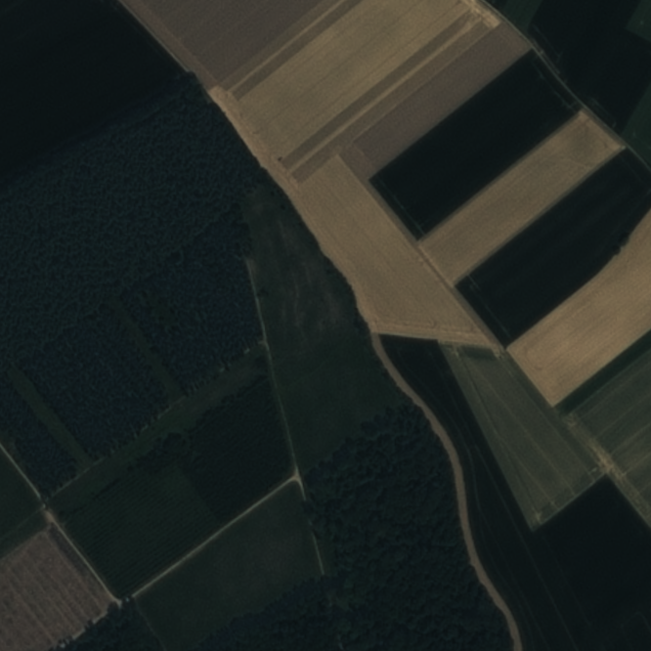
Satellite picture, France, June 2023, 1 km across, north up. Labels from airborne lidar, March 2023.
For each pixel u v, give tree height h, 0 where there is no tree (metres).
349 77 0
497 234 0
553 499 0
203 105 25
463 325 0
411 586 24
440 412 0
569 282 0
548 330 0
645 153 0
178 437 10
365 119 0
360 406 0
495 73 0
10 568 13
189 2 0
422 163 0
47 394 18
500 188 0
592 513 0
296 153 0
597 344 0
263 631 25
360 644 28
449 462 11
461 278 0
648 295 0
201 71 0
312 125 0
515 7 0
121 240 27
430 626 18
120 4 0
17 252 28
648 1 0
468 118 0
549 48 0
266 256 0
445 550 23
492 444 0
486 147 0
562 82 0
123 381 20
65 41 0
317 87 0
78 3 0
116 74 0
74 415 24
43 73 0
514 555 0
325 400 0
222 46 0
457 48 0
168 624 0
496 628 18
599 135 0
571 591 0
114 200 21
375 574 25
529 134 0
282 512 0
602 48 0
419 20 0
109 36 0
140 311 24
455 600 26
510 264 0
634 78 0
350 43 0
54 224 27
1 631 27
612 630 0
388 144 0
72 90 0
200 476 7
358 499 29
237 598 0
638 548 0
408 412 25
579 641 0
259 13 0
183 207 30
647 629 0
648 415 0
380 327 0
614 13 0
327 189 0
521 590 0
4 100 0
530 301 0
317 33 0
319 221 0
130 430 26
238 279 19
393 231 0
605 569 0
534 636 0
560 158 0
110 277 21
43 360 24
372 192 0
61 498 0
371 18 0
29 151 0
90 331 21
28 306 30
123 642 20
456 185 0
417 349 0
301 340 0
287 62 0
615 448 0
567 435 0
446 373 0
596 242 0
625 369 0
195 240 18
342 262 0
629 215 0
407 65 0
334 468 19
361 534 26
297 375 0
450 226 0
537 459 0
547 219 0
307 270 0
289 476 0
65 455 11
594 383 0
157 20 0
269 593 0
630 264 0
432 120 0
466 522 0
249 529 0
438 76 0
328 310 0
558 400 0
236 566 0
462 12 0
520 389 0
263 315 0
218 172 27
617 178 0
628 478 0
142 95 0
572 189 0
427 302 0
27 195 28
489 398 0
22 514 0
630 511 0
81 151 25
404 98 0
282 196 14
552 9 0
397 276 0
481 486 0
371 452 20
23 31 0
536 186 0
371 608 25
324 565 0
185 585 0
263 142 0
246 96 0
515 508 0
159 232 28
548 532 0
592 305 0
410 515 16
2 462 0
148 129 28
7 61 0
